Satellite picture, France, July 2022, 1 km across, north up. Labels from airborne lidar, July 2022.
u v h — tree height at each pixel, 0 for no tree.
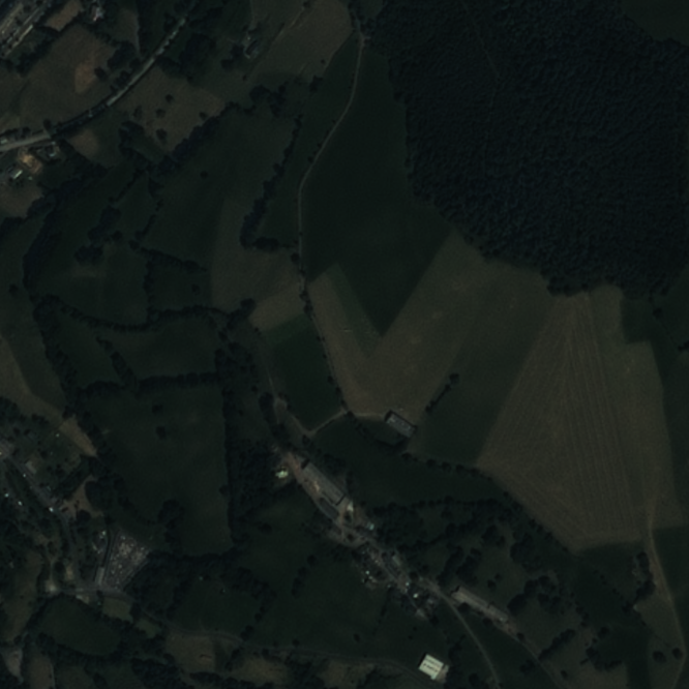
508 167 13
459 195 18
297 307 0
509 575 0
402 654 0
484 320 0
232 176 0
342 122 0
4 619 16
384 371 0
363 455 0
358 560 19
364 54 0
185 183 0
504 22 17
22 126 0
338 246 0
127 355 0
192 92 0
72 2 0
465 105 9
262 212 20
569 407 0
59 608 0
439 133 8
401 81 13
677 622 0
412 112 10
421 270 0
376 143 0
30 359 0
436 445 0
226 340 16
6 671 10
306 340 0
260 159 0
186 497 0
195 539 0
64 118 0
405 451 11
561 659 0
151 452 0
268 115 0
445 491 0
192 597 0
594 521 0
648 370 0
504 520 15
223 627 0
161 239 0
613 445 0
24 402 0
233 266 0
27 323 0
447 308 0
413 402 0
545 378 0
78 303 0
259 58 0
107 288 0
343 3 0
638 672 0
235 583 12
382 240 0
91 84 0
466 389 0
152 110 0
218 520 0
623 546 0
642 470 0
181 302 0
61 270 0
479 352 0
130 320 0
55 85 0
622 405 0
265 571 0
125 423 0
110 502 17
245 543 22
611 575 0
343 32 0
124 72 0
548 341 0
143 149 0
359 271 0
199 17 10
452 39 6
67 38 0
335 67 0
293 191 0
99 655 0
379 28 13
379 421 0
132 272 0
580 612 13
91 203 0
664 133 20
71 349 0
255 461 14
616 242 17
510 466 0
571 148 17
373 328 0
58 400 0
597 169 17
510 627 0
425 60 8
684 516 0
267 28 0
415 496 0
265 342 0
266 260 0
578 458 0
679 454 0
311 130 0
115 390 19
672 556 0
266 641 0
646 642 0
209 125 13
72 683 0
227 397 16
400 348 0
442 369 0
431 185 16
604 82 20
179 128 0
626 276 16
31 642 14
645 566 12
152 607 11
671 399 0
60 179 0
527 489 0
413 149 14
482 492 0
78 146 0
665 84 20
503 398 0
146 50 14
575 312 0
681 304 0
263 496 12
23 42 0
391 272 0
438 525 0
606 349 0
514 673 0
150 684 21
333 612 0
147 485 0
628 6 0
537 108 16
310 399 0
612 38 22
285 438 13
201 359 0
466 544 0
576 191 14
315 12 0
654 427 0
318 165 0
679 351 10
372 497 0
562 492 0
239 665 0
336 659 0
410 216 0
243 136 0
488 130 8
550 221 19
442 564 0
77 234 0
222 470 0
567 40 18
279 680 0
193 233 0
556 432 0
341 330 0
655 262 19
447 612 0
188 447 0
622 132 24
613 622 0
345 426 0
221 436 0
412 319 0
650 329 0
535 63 23
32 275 22
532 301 0
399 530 17
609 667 9
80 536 7
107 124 0
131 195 0
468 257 0
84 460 12
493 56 8
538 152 16
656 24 0
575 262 19
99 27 15
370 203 0
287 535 0
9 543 13
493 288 0
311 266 0
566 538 0
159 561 22
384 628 0
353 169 0
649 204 21
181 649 0
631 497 0
